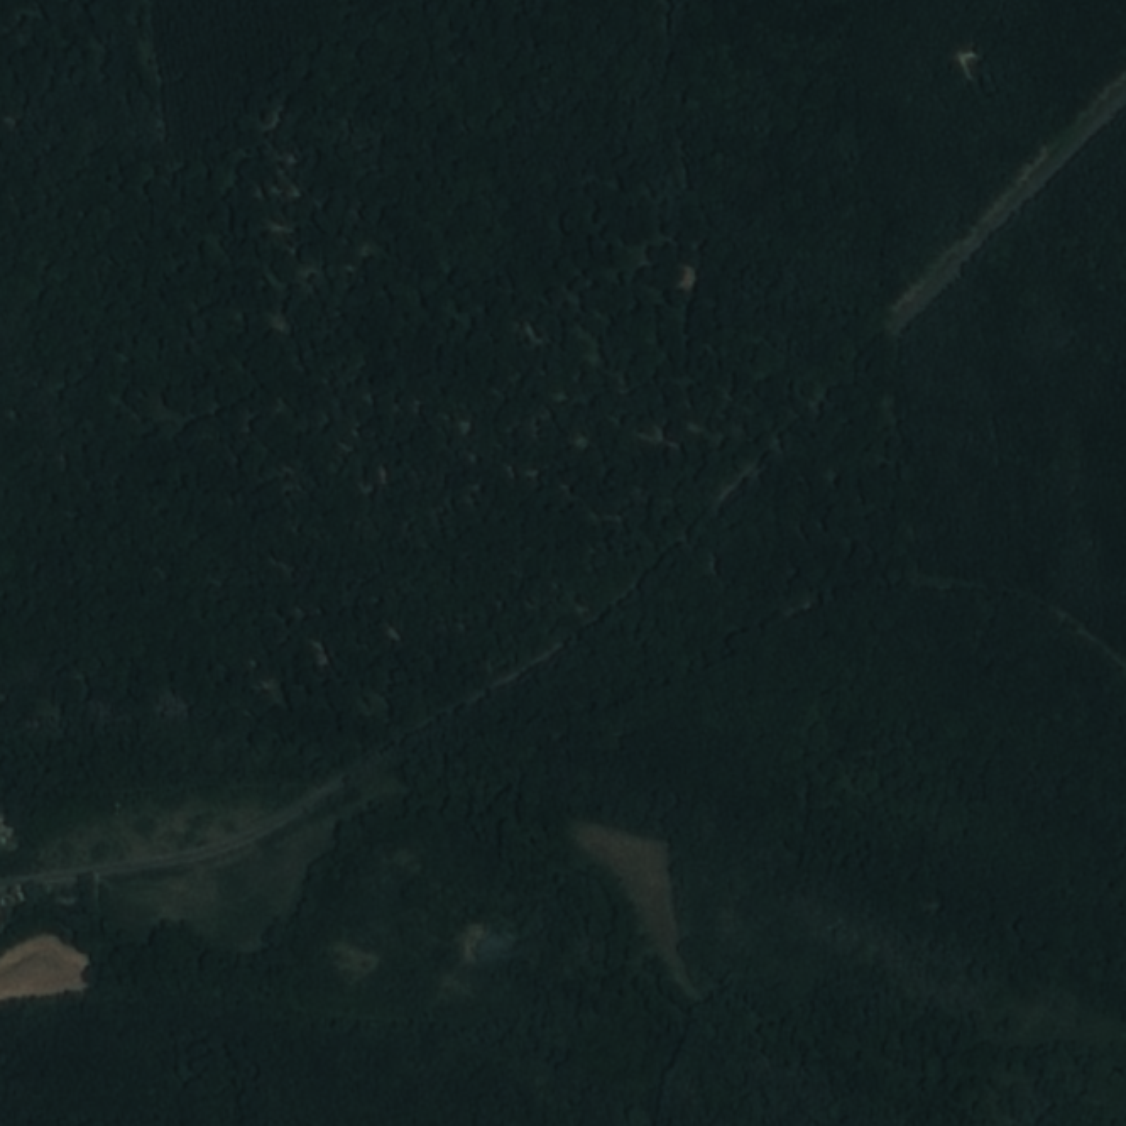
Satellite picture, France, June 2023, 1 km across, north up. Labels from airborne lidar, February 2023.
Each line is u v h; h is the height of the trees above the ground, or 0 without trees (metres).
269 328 21
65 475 20
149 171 19
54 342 23
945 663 23
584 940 16
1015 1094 9
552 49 25
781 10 19
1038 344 14
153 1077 20
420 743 17
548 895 7
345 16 20
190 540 22
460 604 20
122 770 15
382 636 21
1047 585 13
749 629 23
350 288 14
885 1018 24
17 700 20
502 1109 18
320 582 19
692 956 13
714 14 19
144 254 22
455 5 23
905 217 17
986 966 23
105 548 18
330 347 19
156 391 20
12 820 20
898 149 17
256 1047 22
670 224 23
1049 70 16
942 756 18
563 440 15
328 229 23
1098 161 17
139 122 21
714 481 22
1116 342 16
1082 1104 19
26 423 21
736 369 20
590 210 23
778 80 23
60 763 18
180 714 18
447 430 22
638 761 23
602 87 15
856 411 22
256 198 26
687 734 23
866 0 17
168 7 13
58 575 16
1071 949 20
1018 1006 0
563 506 18
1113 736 20
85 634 22
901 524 16
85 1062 22
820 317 24
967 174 16
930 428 12
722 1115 14
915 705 21
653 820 17
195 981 15
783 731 18
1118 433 13
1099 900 24
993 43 17
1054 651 22
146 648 21
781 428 16
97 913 12
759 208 20
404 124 23
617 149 22
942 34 15
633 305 21
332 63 24
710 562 23
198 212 24
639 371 24
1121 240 17
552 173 21
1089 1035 0
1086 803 24
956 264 0
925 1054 8
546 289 16
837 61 16
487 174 20
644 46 26
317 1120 21
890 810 14
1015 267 17
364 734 11
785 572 19
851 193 23
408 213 23
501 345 22
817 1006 11
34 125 17
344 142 22
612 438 22
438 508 22
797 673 24
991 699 21
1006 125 17
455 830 6
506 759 23
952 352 15
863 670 24
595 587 22
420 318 22
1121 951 24
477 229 24
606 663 21
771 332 22
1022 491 12
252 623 20
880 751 16
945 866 14
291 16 13
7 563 22
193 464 22
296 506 21
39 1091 25
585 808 19
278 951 16
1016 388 13
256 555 19
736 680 23
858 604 22
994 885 20
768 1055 16
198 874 0
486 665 12
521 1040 14
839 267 20
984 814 21
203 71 13
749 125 22
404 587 21
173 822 0
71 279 17
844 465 26
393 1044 17
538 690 19
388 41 22
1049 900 23
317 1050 20
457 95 24
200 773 10
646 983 6
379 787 0
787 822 21
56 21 22
